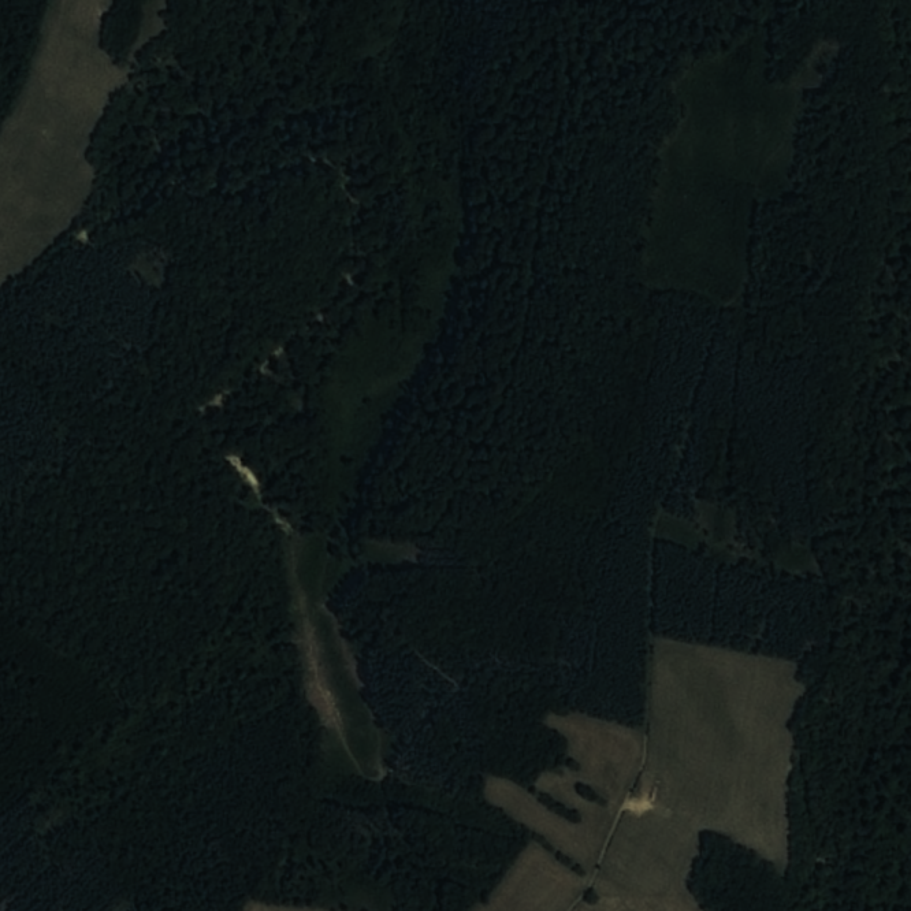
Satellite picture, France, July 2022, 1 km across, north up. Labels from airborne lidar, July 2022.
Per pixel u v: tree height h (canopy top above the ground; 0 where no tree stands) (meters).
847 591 32
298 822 20
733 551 16
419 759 20
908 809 28
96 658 15
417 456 34
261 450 25
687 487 18
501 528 17
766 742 0
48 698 10
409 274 9
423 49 13
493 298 33
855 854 18
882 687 9
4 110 15
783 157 0
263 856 19
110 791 8
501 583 19
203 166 28
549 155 22
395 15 7
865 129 13
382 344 0
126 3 17
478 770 16
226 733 6
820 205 14
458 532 20
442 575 19
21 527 14
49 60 0
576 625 24
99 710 6
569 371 18
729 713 0
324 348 34
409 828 24
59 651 19
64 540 16
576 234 24
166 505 19
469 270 21
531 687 19
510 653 18
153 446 18
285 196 28
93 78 0
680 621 13
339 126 29
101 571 18
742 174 0
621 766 0
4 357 14
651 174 17
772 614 16
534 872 0
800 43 20
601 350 16
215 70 27
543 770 12
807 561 0
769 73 11
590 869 0
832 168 14
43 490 12
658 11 32
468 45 23
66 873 15
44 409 13
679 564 16
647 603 17
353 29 7
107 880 17
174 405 21
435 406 26
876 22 14
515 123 20
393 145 22
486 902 14
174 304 20
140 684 15
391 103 6
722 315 16
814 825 17
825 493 25
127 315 17
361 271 32
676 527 0
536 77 25
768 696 0
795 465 19
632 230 18
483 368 34
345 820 24
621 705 16
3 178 0
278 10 15
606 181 16
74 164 0
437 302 0
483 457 25
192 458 21
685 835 0
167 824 11
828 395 20
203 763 10
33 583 18
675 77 21
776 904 15
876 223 16
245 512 23
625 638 17
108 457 15
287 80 35
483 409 33
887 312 12
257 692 11
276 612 21
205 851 19
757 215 17
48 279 17
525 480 23
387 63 6
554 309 25
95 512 12
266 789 13
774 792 0
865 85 16
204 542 15
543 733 17
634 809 0
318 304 29
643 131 18
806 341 17
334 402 0
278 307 19
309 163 31
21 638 6
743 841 0
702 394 19
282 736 11
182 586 18
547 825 0
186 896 17
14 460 12
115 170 16
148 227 16
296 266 17
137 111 30
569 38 28
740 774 0
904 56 25
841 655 24
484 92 28
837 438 24
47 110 0
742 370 17
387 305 24
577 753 0
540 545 11
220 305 18
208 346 17
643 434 19
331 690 0
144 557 20
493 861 16
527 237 32
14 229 0
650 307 17
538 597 20
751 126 0
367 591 29
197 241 20
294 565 0
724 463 11
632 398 20
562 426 22
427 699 22
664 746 0
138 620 11
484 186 19
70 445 13
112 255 17
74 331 16
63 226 0
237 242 14
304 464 33
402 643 26
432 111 10
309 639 0
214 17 20
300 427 38
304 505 17
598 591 18
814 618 17
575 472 7
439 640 19
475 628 19
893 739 34
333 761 0
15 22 15
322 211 26
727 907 17
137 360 18
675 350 10
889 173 23
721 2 29
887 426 36
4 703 18
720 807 0
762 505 24
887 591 36
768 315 15
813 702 15
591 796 14
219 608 19
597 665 19
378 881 21
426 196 8
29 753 7
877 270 27
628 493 17
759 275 18
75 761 17
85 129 0
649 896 0
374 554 0
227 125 25
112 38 15
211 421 23
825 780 19
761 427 18
